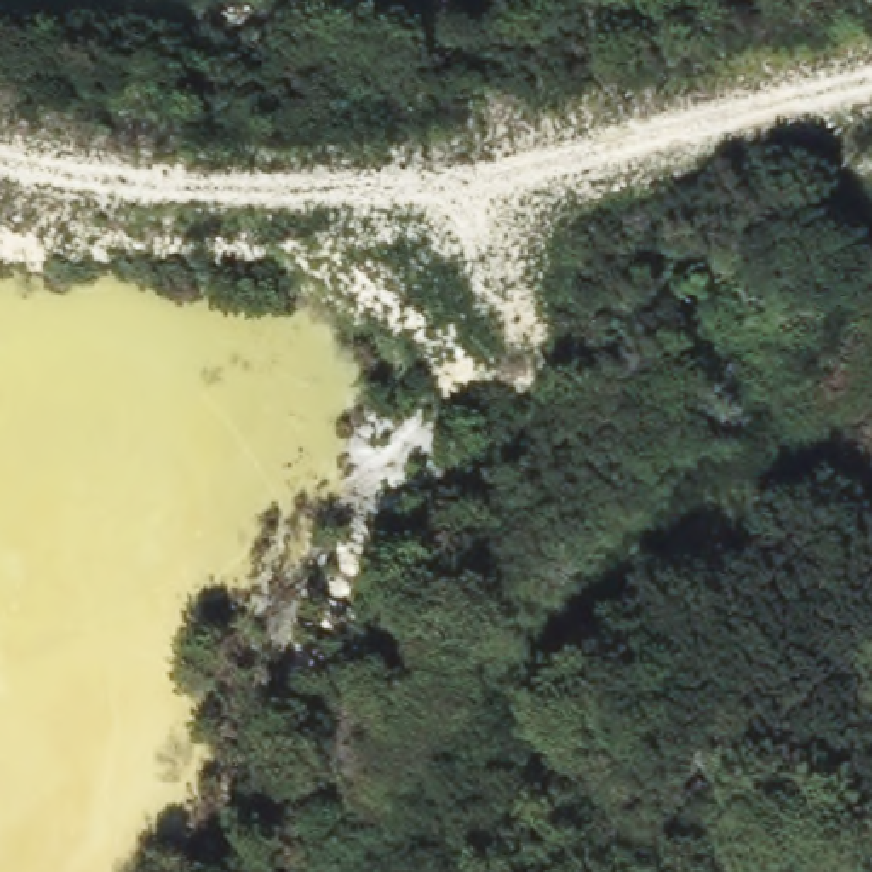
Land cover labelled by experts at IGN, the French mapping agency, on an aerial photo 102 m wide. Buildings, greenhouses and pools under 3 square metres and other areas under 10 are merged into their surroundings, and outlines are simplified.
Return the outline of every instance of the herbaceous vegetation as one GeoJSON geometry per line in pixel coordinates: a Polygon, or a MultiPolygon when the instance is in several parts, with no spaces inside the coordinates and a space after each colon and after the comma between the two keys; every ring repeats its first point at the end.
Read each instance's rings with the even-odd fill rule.
{"type": "Polygon", "coordinates": [[[184,242],[181,235],[208,208],[221,211],[225,204],[99,204],[92,191],[55,184],[24,187],[10,177],[0,177],[0,228],[17,235],[27,232],[41,242],[41,276],[48,276],[48,286],[51,293],[65,293],[68,286],[112,276],[109,249],[184,255],[191,252],[191,242],[184,242]]]}
{"type": "Polygon", "coordinates": [[[565,194],[559,204],[538,215],[535,232],[528,235],[528,249],[521,252],[521,276],[535,296],[552,269],[548,238],[555,221],[576,221],[593,201],[586,198],[565,194]]]}
{"type": "Polygon", "coordinates": [[[453,651],[436,640],[405,640],[399,644],[409,668],[405,681],[392,668],[385,668],[382,657],[327,668],[320,674],[293,674],[293,688],[324,695],[327,705],[337,712],[330,763],[334,787],[341,794],[337,804],[310,807],[300,818],[303,848],[296,852],[293,872],[460,872],[456,858],[470,848],[470,831],[484,831],[501,814],[514,814],[518,800],[531,800],[531,794],[521,783],[487,770],[491,756],[528,763],[528,756],[535,753],[531,743],[525,743],[514,732],[511,702],[521,688],[518,685],[528,651],[504,634],[497,640],[477,644],[477,651],[453,651]]]}
{"type": "Polygon", "coordinates": [[[27,123],[17,112],[17,95],[7,89],[7,82],[0,82],[0,143],[14,143],[14,136],[24,136],[24,150],[31,153],[89,160],[112,157],[106,129],[99,129],[95,123],[75,123],[75,116],[68,112],[41,112],[37,133],[27,136],[27,123]]]}
{"type": "Polygon", "coordinates": [[[872,65],[872,34],[838,48],[831,65],[821,55],[807,51],[746,51],[729,61],[709,58],[695,65],[695,78],[702,82],[698,92],[685,85],[681,65],[668,68],[671,82],[661,95],[654,89],[586,89],[582,99],[572,102],[565,112],[542,116],[538,123],[525,119],[521,102],[514,95],[491,92],[487,106],[470,102],[467,123],[453,136],[436,140],[422,153],[416,143],[399,143],[392,150],[385,150],[382,143],[358,143],[347,153],[337,143],[320,143],[310,150],[235,146],[232,153],[225,146],[204,146],[191,150],[177,164],[194,174],[412,167],[436,174],[443,167],[508,160],[528,150],[576,143],[603,126],[651,119],[668,109],[726,99],[726,92],[732,89],[760,92],[766,85],[783,85],[794,78],[814,78],[821,68],[848,72],[858,65],[872,65]]]}
{"type": "Polygon", "coordinates": [[[770,409],[777,433],[790,443],[777,456],[777,463],[760,470],[760,477],[753,480],[753,487],[763,491],[783,487],[794,501],[814,501],[821,508],[845,504],[862,535],[869,531],[865,518],[872,514],[872,266],[858,279],[841,283],[841,276],[821,269],[818,262],[807,262],[800,252],[777,252],[773,259],[756,262],[743,262],[739,252],[715,252],[709,259],[712,269],[705,276],[688,276],[671,290],[678,296],[695,300],[702,334],[722,354],[736,358],[736,382],[743,388],[736,405],[743,405],[743,412],[749,412],[753,405],[770,409]]]}
{"type": "Polygon", "coordinates": [[[262,245],[262,259],[279,259],[283,269],[300,269],[296,307],[310,300],[334,327],[358,330],[368,310],[354,296],[354,269],[361,262],[385,262],[402,279],[399,303],[419,310],[429,330],[456,327],[460,347],[477,364],[497,358],[508,347],[501,313],[477,310],[470,279],[463,276],[463,259],[443,259],[433,252],[433,225],[426,211],[416,211],[416,204],[324,208],[327,228],[320,235],[307,242],[286,238],[262,245]]]}

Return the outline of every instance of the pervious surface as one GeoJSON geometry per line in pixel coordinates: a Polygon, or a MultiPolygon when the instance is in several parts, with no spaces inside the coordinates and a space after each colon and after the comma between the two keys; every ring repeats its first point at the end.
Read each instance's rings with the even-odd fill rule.
{"type": "Polygon", "coordinates": [[[576,143],[528,150],[508,160],[443,167],[436,174],[412,167],[194,174],[177,164],[133,167],[112,157],[89,160],[31,153],[24,150],[24,136],[14,136],[14,143],[0,143],[0,177],[10,177],[24,187],[55,184],[92,191],[99,204],[225,204],[262,204],[290,211],[324,208],[416,204],[416,211],[426,211],[433,225],[456,232],[463,238],[463,255],[477,255],[480,249],[487,249],[491,198],[521,198],[531,187],[545,187],[552,177],[596,167],[603,177],[593,181],[593,194],[586,198],[593,201],[603,201],[620,191],[644,191],[661,174],[681,177],[709,150],[719,150],[729,167],[736,167],[749,153],[760,153],[766,146],[787,146],[790,153],[807,150],[814,136],[824,129],[828,112],[838,112],[841,123],[865,123],[872,116],[872,65],[858,65],[848,72],[821,68],[814,78],[794,78],[783,85],[766,85],[760,92],[732,89],[726,92],[726,99],[668,109],[651,119],[603,126],[576,143]]]}

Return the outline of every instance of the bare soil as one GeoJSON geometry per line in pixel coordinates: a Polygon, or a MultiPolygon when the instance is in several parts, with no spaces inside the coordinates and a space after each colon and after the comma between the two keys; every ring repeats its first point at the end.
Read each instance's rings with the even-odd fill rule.
{"type": "Polygon", "coordinates": [[[872,116],[865,123],[841,123],[838,112],[828,112],[824,129],[814,136],[807,150],[828,164],[845,160],[845,170],[835,177],[835,191],[821,198],[824,215],[838,232],[862,228],[865,242],[872,245],[872,116]]]}
{"type": "Polygon", "coordinates": [[[14,276],[24,293],[41,293],[48,286],[48,276],[41,276],[41,242],[27,232],[17,235],[0,228],[0,279],[14,276]]]}
{"type": "Polygon", "coordinates": [[[341,528],[313,525],[320,501],[296,494],[293,511],[269,508],[262,514],[259,538],[249,555],[249,586],[228,589],[228,596],[238,606],[249,606],[266,617],[273,644],[283,647],[286,647],[296,630],[300,603],[307,600],[303,562],[320,565],[327,562],[327,552],[337,552],[341,565],[330,579],[330,593],[351,593],[368,538],[368,521],[378,511],[378,494],[382,487],[402,484],[405,477],[409,453],[433,446],[433,426],[426,426],[422,419],[399,422],[371,412],[351,439],[351,456],[337,456],[337,470],[347,473],[347,487],[337,497],[351,508],[351,535],[344,535],[341,528]]]}
{"type": "Polygon", "coordinates": [[[535,232],[538,215],[559,204],[565,194],[586,198],[593,194],[593,181],[603,177],[596,167],[552,177],[545,187],[531,187],[521,198],[491,198],[487,249],[480,249],[477,255],[463,255],[463,238],[456,232],[433,225],[433,252],[443,259],[463,259],[463,276],[470,279],[477,310],[501,313],[508,347],[497,358],[477,364],[460,347],[456,327],[429,330],[419,310],[399,303],[402,279],[385,262],[361,262],[354,269],[354,296],[368,310],[392,330],[412,330],[412,341],[422,347],[422,358],[436,375],[439,388],[450,392],[456,392],[467,382],[508,382],[514,388],[528,388],[535,382],[535,371],[545,364],[542,344],[548,334],[545,320],[535,313],[535,296],[521,276],[521,252],[528,249],[528,235],[535,232]]]}
{"type": "Polygon", "coordinates": [[[262,259],[262,245],[255,245],[249,235],[238,235],[235,242],[211,242],[215,255],[262,259]]]}

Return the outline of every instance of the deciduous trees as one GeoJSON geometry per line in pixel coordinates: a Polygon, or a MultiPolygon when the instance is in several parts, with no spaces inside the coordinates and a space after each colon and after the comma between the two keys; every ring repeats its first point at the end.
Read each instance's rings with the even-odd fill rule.
{"type": "Polygon", "coordinates": [[[521,688],[542,702],[572,702],[586,695],[593,705],[596,732],[610,729],[620,739],[644,739],[647,749],[715,749],[719,763],[729,773],[743,770],[756,787],[763,787],[766,797],[797,797],[800,790],[794,783],[794,766],[807,766],[811,773],[824,777],[824,790],[835,797],[838,807],[848,807],[852,821],[872,821],[872,705],[862,702],[862,678],[852,664],[858,661],[858,647],[872,640],[872,514],[865,518],[869,531],[862,535],[845,504],[821,508],[814,501],[794,501],[783,487],[763,491],[763,504],[746,521],[753,538],[729,562],[698,562],[688,576],[681,576],[678,569],[661,569],[637,593],[600,603],[600,620],[593,623],[582,644],[562,647],[559,654],[545,654],[535,644],[528,651],[518,685],[521,688]]]}

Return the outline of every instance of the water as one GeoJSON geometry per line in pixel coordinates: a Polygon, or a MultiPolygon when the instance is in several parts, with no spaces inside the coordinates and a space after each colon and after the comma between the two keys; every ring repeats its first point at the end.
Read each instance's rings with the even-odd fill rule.
{"type": "Polygon", "coordinates": [[[201,596],[201,589],[228,589],[249,586],[249,555],[259,538],[262,514],[269,508],[293,511],[296,494],[320,501],[337,497],[347,487],[347,473],[337,470],[337,456],[351,456],[351,439],[337,436],[337,416],[354,405],[361,392],[361,371],[351,351],[337,344],[334,327],[310,300],[296,307],[286,317],[221,313],[211,303],[174,303],[157,296],[153,290],[119,283],[112,276],[68,286],[65,293],[51,293],[48,286],[41,293],[24,293],[14,276],[0,279],[0,872],[123,872],[123,865],[133,862],[143,835],[157,828],[157,818],[170,804],[198,797],[198,773],[211,756],[211,753],[204,743],[191,736],[191,719],[198,705],[191,702],[191,695],[177,691],[170,668],[187,606],[201,596]]]}
{"type": "Polygon", "coordinates": [[[439,20],[456,20],[439,0],[375,0],[375,14],[395,20],[405,31],[433,31],[439,27],[439,20]]]}
{"type": "Polygon", "coordinates": [[[208,7],[218,10],[228,24],[242,24],[245,17],[262,14],[273,0],[184,0],[198,24],[204,24],[208,7]]]}

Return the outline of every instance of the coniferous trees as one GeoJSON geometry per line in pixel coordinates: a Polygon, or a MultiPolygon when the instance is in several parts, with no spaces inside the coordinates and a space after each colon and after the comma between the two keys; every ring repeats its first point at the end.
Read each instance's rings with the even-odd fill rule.
{"type": "Polygon", "coordinates": [[[824,790],[824,777],[811,773],[807,766],[794,766],[794,783],[800,790],[797,797],[766,797],[763,787],[756,787],[743,770],[729,773],[719,763],[715,749],[647,749],[644,739],[620,739],[610,729],[596,732],[593,705],[586,695],[572,702],[542,702],[521,688],[511,702],[514,732],[525,743],[531,743],[535,753],[528,756],[528,763],[491,756],[487,770],[521,783],[531,794],[531,800],[518,800],[514,814],[501,814],[484,831],[470,831],[470,848],[456,858],[460,872],[872,872],[872,821],[852,821],[848,807],[838,807],[835,797],[824,790]]]}
{"type": "Polygon", "coordinates": [[[395,20],[375,14],[375,0],[273,0],[262,14],[245,17],[242,24],[228,24],[218,10],[208,7],[204,24],[198,24],[184,0],[0,0],[0,82],[7,82],[7,89],[17,95],[17,112],[27,123],[27,136],[37,133],[41,112],[68,112],[75,116],[75,123],[95,123],[99,129],[106,129],[112,157],[133,167],[177,164],[191,150],[204,146],[225,146],[232,153],[235,146],[310,150],[320,143],[337,143],[347,153],[358,143],[382,143],[385,150],[392,150],[399,143],[416,143],[422,153],[436,140],[453,136],[467,123],[470,102],[487,106],[491,92],[514,95],[521,102],[525,119],[538,123],[542,116],[565,112],[572,102],[582,99],[586,89],[654,89],[661,95],[671,82],[668,68],[681,65],[685,85],[698,92],[702,82],[695,78],[695,65],[709,58],[729,61],[746,51],[807,51],[821,55],[831,65],[838,48],[872,34],[872,0],[439,0],[456,20],[439,20],[439,27],[433,31],[405,31],[395,20]]]}
{"type": "Polygon", "coordinates": [[[661,569],[678,569],[681,576],[688,576],[698,562],[729,562],[753,538],[746,521],[763,504],[763,491],[753,487],[753,480],[760,477],[760,470],[777,463],[777,456],[790,443],[777,433],[770,409],[753,405],[749,412],[743,412],[743,405],[736,405],[743,388],[736,382],[736,358],[722,354],[702,334],[695,300],[678,296],[671,290],[688,276],[705,276],[712,269],[709,259],[715,252],[739,252],[743,262],[756,262],[773,259],[777,252],[800,252],[807,262],[818,262],[821,269],[841,276],[841,283],[858,279],[872,266],[872,245],[865,242],[862,228],[838,232],[824,215],[821,198],[835,191],[835,177],[845,170],[845,160],[828,164],[807,150],[790,153],[787,146],[766,146],[760,153],[749,153],[736,167],[729,167],[719,150],[709,150],[681,177],[661,174],[644,191],[620,191],[603,201],[593,201],[576,221],[555,221],[548,238],[552,269],[535,296],[535,313],[545,320],[548,334],[542,344],[545,364],[535,371],[535,382],[528,388],[514,388],[508,382],[467,382],[456,392],[450,392],[439,412],[450,419],[470,416],[473,433],[484,433],[484,453],[446,470],[443,477],[405,477],[402,484],[382,487],[378,494],[378,511],[368,521],[368,538],[351,593],[378,613],[382,627],[364,623],[364,634],[354,634],[334,654],[320,654],[310,644],[303,644],[300,651],[286,647],[283,647],[269,661],[269,681],[259,688],[266,712],[255,722],[255,739],[249,732],[232,732],[232,739],[211,753],[211,756],[238,763],[238,773],[232,777],[228,790],[232,807],[218,814],[232,855],[211,872],[293,872],[296,852],[303,848],[300,818],[310,807],[337,804],[341,794],[334,787],[330,763],[337,712],[327,705],[324,695],[293,688],[293,674],[320,674],[327,668],[382,657],[385,668],[392,668],[405,681],[409,668],[399,644],[405,640],[436,640],[453,651],[477,651],[477,644],[497,640],[504,634],[528,651],[535,644],[545,654],[559,654],[562,647],[582,644],[593,623],[600,620],[600,603],[637,593],[661,569]]]}
{"type": "Polygon", "coordinates": [[[153,848],[143,835],[133,862],[123,865],[123,872],[198,872],[194,862],[153,848]]]}
{"type": "Polygon", "coordinates": [[[858,647],[858,661],[852,664],[862,678],[862,702],[872,705],[872,640],[858,647]]]}

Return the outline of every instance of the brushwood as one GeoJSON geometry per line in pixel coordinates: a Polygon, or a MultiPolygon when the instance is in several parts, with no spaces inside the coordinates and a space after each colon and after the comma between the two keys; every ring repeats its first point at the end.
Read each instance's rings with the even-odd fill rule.
{"type": "Polygon", "coordinates": [[[194,862],[198,872],[211,872],[232,855],[218,814],[232,807],[228,790],[232,777],[238,773],[238,763],[211,756],[198,773],[198,797],[170,804],[157,818],[157,828],[143,835],[153,848],[194,862]]]}
{"type": "Polygon", "coordinates": [[[443,477],[446,470],[484,453],[484,433],[473,433],[470,416],[450,419],[439,412],[450,392],[439,388],[436,375],[422,358],[422,347],[412,341],[412,330],[392,330],[368,310],[358,330],[334,327],[337,344],[351,351],[361,371],[361,392],[354,405],[337,416],[337,436],[351,439],[371,412],[399,422],[422,419],[426,426],[433,426],[433,446],[409,453],[405,477],[443,477]]]}
{"type": "Polygon", "coordinates": [[[313,525],[341,528],[344,535],[351,535],[351,508],[337,497],[320,501],[313,525]]]}
{"type": "Polygon", "coordinates": [[[320,565],[303,562],[307,600],[300,603],[296,630],[286,647],[300,651],[303,644],[310,644],[320,654],[334,654],[354,634],[364,634],[364,623],[382,627],[378,613],[351,593],[330,593],[330,579],[341,565],[337,552],[327,552],[327,562],[320,565]]]}
{"type": "Polygon", "coordinates": [[[286,238],[307,242],[320,235],[327,228],[324,208],[290,211],[262,204],[225,204],[221,211],[208,208],[181,235],[184,242],[191,242],[191,252],[184,255],[109,249],[112,276],[119,283],[153,290],[157,296],[174,303],[211,303],[221,313],[286,317],[296,307],[300,269],[283,269],[279,259],[262,259],[215,255],[211,242],[235,242],[238,235],[249,235],[255,245],[262,245],[286,238]]]}
{"type": "Polygon", "coordinates": [[[228,589],[201,589],[201,596],[187,606],[170,668],[177,691],[191,695],[191,702],[198,705],[191,719],[191,736],[204,743],[211,753],[232,739],[232,732],[249,732],[255,739],[255,722],[266,712],[259,688],[269,681],[269,661],[283,647],[273,644],[266,617],[249,606],[238,606],[228,596],[228,589]]]}

